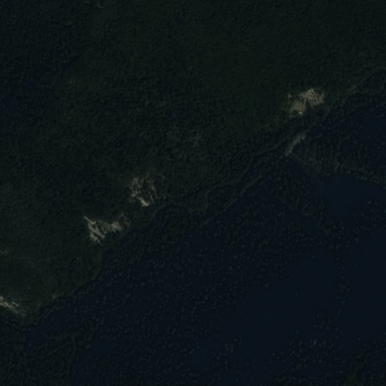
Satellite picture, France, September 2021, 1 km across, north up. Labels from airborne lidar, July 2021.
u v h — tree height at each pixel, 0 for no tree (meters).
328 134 17
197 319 19
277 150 10
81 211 17
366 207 24
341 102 17
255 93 22
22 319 13
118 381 25
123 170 14
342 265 20
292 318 18
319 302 15
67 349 24
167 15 22
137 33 29
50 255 18
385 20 30
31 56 13
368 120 7
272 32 26
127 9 29
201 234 21
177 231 16
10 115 24
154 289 21
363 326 24
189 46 26
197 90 28
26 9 18
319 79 6
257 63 24
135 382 32
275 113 19
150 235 22
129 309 28
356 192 8
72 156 25
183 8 27
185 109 17
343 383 21
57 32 17
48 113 12
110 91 17
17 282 25
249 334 17
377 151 24
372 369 31
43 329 11
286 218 12
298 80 23
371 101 12
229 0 27
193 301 24
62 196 38
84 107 12
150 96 32
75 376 15
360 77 23
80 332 24
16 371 27
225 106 18
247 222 32
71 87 14
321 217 12
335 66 26
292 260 25
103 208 31
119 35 27
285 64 23
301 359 26
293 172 20
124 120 27
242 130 27
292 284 26
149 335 28
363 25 28
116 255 20
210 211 7
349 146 7
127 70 18
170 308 25
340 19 25
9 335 18
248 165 23
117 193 23
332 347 33
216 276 22
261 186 9
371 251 18
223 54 23
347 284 26
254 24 22
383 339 35
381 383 24
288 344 29
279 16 25
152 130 22
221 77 20
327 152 23
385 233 28
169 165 23
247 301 22
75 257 25
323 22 25
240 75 21
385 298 40
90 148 22
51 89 8
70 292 15
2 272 16
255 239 30
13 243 19
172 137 29
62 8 14
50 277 16
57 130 17
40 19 13
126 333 30
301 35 25
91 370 29
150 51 23
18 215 18
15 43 21
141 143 23
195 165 19
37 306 12
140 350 27
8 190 17
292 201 22
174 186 23
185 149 19
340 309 11
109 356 30
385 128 23
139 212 19
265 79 20
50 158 20
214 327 27
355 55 26
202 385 35
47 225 24
